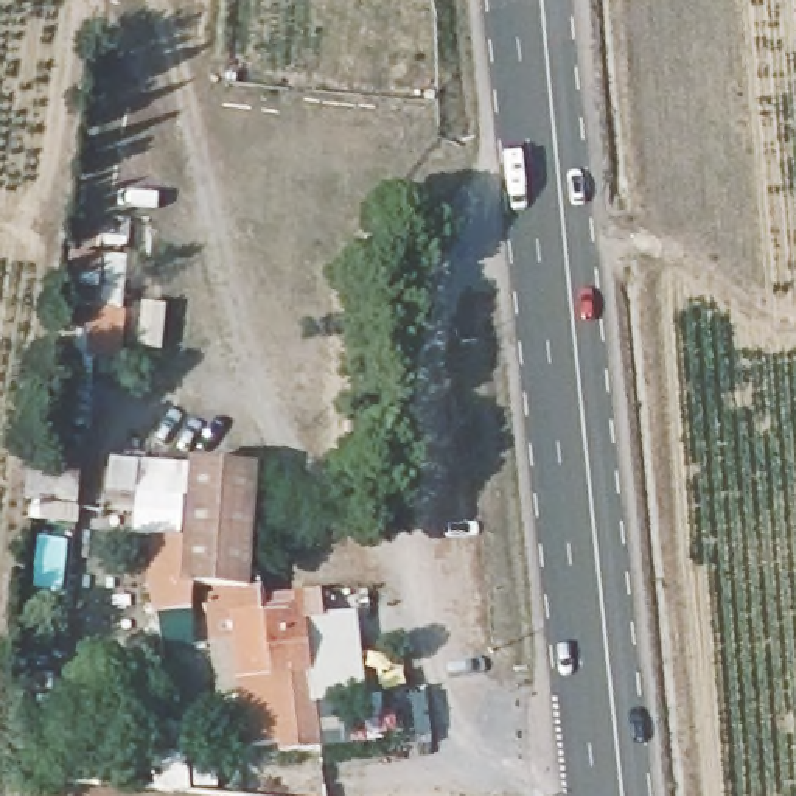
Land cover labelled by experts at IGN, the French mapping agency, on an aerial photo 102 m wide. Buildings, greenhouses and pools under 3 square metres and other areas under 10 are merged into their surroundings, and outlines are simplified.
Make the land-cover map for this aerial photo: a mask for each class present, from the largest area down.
<instances>
[{"label":"herbaceous vegetation","instance_id":"1","mask_svg":"<svg viewBox=\"0 0 796 796\"><path fill-rule=\"evenodd\" d=\"M96 19L106 22L103 34H109L112 50L84 65V81L90 84V90L78 124V155L72 162L75 190L62 239V267L68 274L62 283V299L72 311L75 339L56 342L59 364L50 370L47 379V417L28 426V442L16 451V457L31 470H40L47 476L75 473L78 479L75 522L34 519L25 525L22 535L25 547L16 557L9 581V628L0 637V796H22V777L12 768L19 759L16 746L25 743V724L19 712L28 678L12 675V659L16 637L28 628L25 603L34 597L37 585L56 588L53 634L65 631L68 622L78 625L84 637H103L115 631L121 650L115 656V669L121 675V684L137 700L131 712L137 724L134 756L124 759V768L134 771V777L143 787L152 784V777L162 774L174 759L177 721L183 709L215 684L211 656L199 650V641H205L208 634L202 600H190L187 609L193 613V628L180 641L140 628V609L149 603L143 572L162 550L165 535L131 529L124 535L127 575H112L100 557H90L84 563L81 544L90 522L93 529H118V516L93 519V507L103 491L112 454L190 460L193 454L205 451H215L218 457L233 454L243 445H267L261 426L252 417H239L246 404V382H252L255 367L243 364L233 354L230 326L224 320L208 258L202 255L199 243H193V236L199 233L196 190L187 171V152L177 131V106L171 96L174 84L168 75L171 65L165 62L155 34V22L162 19V12L146 9L143 0H103V12ZM143 299L165 302L162 345L140 342ZM106 302H124V326H100L96 314ZM118 351H131L134 358L149 361V382L140 395H131L115 379L112 361ZM460 16V62L445 72L438 62L435 0H311V25L326 31L323 50H305L289 62V68H274L264 53H258V44L271 37L277 25H283L289 0H171L174 12H196V25L190 28V47H196L199 56L187 59V65L193 72L190 78L208 134V152L215 177L221 183V202L227 218L233 221L230 239L236 249L239 280L252 286L249 320L261 342L264 367L271 376H277L280 414H286L299 429L295 448L308 457H323L351 429V420L336 410L339 392H348V379L339 373L345 342L339 339L342 326L336 311H342V299L330 286L323 271L348 249V243L367 239L361 227V202L382 180L404 177L423 183L426 177L445 171H488L504 177L507 146L494 134L498 93L488 81L494 44L482 34V16L491 9L488 0H454ZM616 16H622V0H591L606 187L609 196L625 199V208L641 199V193L634 190L637 165L631 149L625 22L613 25ZM513 246L507 239L498 246L491 258L482 261L485 277L498 289L494 330L501 354L491 382H482L476 392L485 398H498V404L507 407L513 448L504 451V466L485 482L479 494V510L473 516V522L479 525L473 578L479 588L482 625L476 656H488L485 675L491 681L510 687H532L535 637L544 634L550 603L547 594H541L544 550L535 541L538 494L529 482L535 451L525 438L529 395L519 386V302L510 283ZM637 261L644 271V286H625L616 280V302L641 519V557L650 609L656 703L662 718L659 737L665 796H724L709 566H697L690 560L687 479L697 476V463H687L684 457L678 330L675 314L659 308V280L665 274V261L650 252H641ZM423 768L410 777V784H401V790L438 796H569L566 780H553L535 762L504 759L494 746H488L479 737L466 712L448 718V737L442 740L438 752L423 756ZM274 737L261 734L258 740H239V759L215 774L218 790H255L258 774L252 768L271 759ZM109 784L100 777H78L75 784H59L62 796H87L103 793Z\"/></svg>","mask_w":796,"mask_h":796},{"label":"vineyard","instance_id":"2","mask_svg":"<svg viewBox=\"0 0 796 796\"><path fill-rule=\"evenodd\" d=\"M103 12V0H0V637L9 628V581L16 557L25 547L22 535L25 525L34 519L25 494L31 470L16 457V451L28 442V426L47 417V379L50 370L59 364L56 342L75 339L72 311L62 299V283L68 274L62 267V239L75 190L72 162L78 155V124L90 90V84L84 81V65L112 50L109 34H103L106 22L96 19ZM743 22L746 106L752 127V174L762 243L759 258L765 271V286L731 283L721 274V267L709 261L706 249H687L672 236L634 233L631 239L641 252H650L665 261V274L659 280V308L675 314L678 330L684 457L687 463H697V476L687 479L690 560L697 566H709L724 796H796V0H737Z\"/></svg>","mask_w":796,"mask_h":796},{"label":"impervious surface","instance_id":"3","mask_svg":"<svg viewBox=\"0 0 796 796\"><path fill-rule=\"evenodd\" d=\"M491 9L482 16V34L494 44L488 81L498 93L494 134L507 146L504 177L510 208H516V221L507 239L513 246L510 283L519 302V386L529 395L525 438L535 451L529 482L538 494L535 541L544 550L541 594H547L550 603L544 634V641L569 647V675L557 672L550 678V693L560 703L566 780L569 796H665L659 737L662 718L656 703L650 609L641 557V519L616 302V280L625 286H644V271L637 261L641 252L631 239L634 233L616 227V215L625 208V199L609 196L606 187L591 0H488ZM155 790H180L187 787V768L180 759H174L162 774L152 777V784Z\"/></svg>","mask_w":796,"mask_h":796},{"label":"deciduous trees","instance_id":"4","mask_svg":"<svg viewBox=\"0 0 796 796\"><path fill-rule=\"evenodd\" d=\"M326 31L311 25V0H289L283 25H277L271 37L258 44V53H264L274 68H289V62L305 50H323ZM438 62L445 72L460 62V16L454 0H435ZM423 183L404 177L382 180L361 202V227L367 239L348 243V249L323 271L330 286L342 299V311H336L342 326L339 339L345 342L339 373L348 379V392H339L336 410L351 420V429L323 457H308L295 448L267 445H243L233 454L258 463L255 491L264 494V504L255 501L252 519V581H261L264 597H274V591L289 588L295 569H317L339 541L351 538L370 547L392 541L382 532L386 494L407 488L426 463V442L414 435L407 417L398 414L401 398H407V392L398 382L401 348L392 342V326L414 302L417 320L407 333L417 336L426 326L429 295L426 289L407 283H389V271L401 261L407 246H417L426 267L438 264V239L426 236L423 215L417 211ZM115 379L131 395H140L149 382V361L134 358L131 351H118L112 361ZM131 529H93L90 522L81 544L84 563L90 557H100L112 575H127L124 535ZM56 588L37 585L34 597L25 603L28 628L16 637L12 659V675L28 678L19 712L25 724V743L16 746L19 759L12 768L22 777V796H62L59 784H75L78 777H100L109 784L103 793L87 796H190L180 790H155L152 784L143 787L134 777V771L124 768V759L134 756L137 724L131 712L137 700L121 684V675L115 669V656L121 650L115 631L103 637H84L78 625L68 622L65 631L53 634ZM407 631L379 628L373 650L386 653L392 662L404 656ZM330 703V712L345 721V728L361 731L367 724H376L379 734H386L398 728L395 715L382 709L379 697L367 693L361 681H348L330 687L323 697ZM233 697L221 693L215 684L183 709L177 721L174 759H180L187 768L215 774L239 759V728L227 718V703ZM348 759H382L376 740L326 743L323 762L339 768Z\"/></svg>","mask_w":796,"mask_h":796},{"label":"pervious surface","instance_id":"5","mask_svg":"<svg viewBox=\"0 0 796 796\"><path fill-rule=\"evenodd\" d=\"M146 9L162 12V19L155 22V34L165 62L171 65L168 75L174 84L171 96L177 106V131L187 152V171L196 190L199 233L193 236V243H199L202 255L208 258L224 320L230 326L233 354L243 364L255 367L252 382H246V404L239 417H252L261 426L267 445L295 448L299 429L286 414H280L277 376H271L264 367L261 342L249 320L252 286L239 280L236 249L230 239L233 221L227 218L221 202V183L215 177L208 152V134L190 78L193 72L187 65V59L199 56L196 47H190V28L196 25V12H174L171 0H143ZM417 211L423 215L426 236L438 239V264L426 267L417 246H407L401 261L389 271V283H407L426 289L429 295L426 326L417 336L407 333L417 320L414 302L392 326V342L401 348L398 382L407 392V398H401L398 414L407 417L414 435L426 442V463L407 488L386 494L382 532L392 541L370 547V566H382L386 572L379 594V628L407 631L438 625L448 634V641L432 656L417 659L423 675L445 690L448 718L466 712L479 737L488 746H494L504 759L535 762L553 780H566L560 703L550 693V678L544 672V634L535 637L532 687H510L491 681L485 675L488 656H476L482 625L479 588L473 578L479 525L473 522V516L479 510V494L485 482L504 466V451L513 448L507 407L498 404V398H485L476 392L482 382H491L501 354L494 330L498 289L485 277L482 261L491 258L498 246L507 239L516 221V208H510L504 177L488 171H445L426 177L423 183Z\"/></svg>","mask_w":796,"mask_h":796},{"label":"building","instance_id":"6","mask_svg":"<svg viewBox=\"0 0 796 796\"><path fill-rule=\"evenodd\" d=\"M165 302L143 299L140 342L162 345ZM100 326H124V302H106L96 314ZM258 463L233 454L218 457L215 451H205L193 454L190 460L112 454L103 491L93 507V519L118 516V529H131L165 535L162 550L143 572L149 603L140 609V628L180 641L193 628V613L187 609L190 600H202L208 634L205 641H199V650L211 656L215 684L221 693L233 697L227 703V718L239 728V740H258L261 734L274 737L271 759L252 768L258 774L255 790H218L215 774L187 768V787L180 790L190 796H345L339 784V768L323 762L326 743L376 740L382 759L423 756L438 752L442 740L448 737V718L445 690L423 675L417 659L432 656L448 641V634L438 625L407 631L404 656L392 662L386 653L373 650L379 628V594L386 572L382 566H370V547L351 538L339 541L317 569H295L289 588L274 591V597H264L261 581H252V519L255 501L264 504V494L255 491ZM348 681H361L367 693L379 697L382 709L395 715L398 728L386 734H379L376 724H367L361 731L345 728V721L330 712V703L323 697L330 687ZM25 494L34 519L75 522L78 479L75 473L47 476L40 470H31Z\"/></svg>","mask_w":796,"mask_h":796},{"label":"plowed land","instance_id":"7","mask_svg":"<svg viewBox=\"0 0 796 796\"><path fill-rule=\"evenodd\" d=\"M625 22L631 149L637 165L634 190L641 193V199L625 208L616 215V227L634 233L672 236L687 249H706L709 261L721 267V274L731 283L765 286V271L759 258L762 243L752 174V127L746 106L743 22L737 0H622V16H616L613 25ZM544 672L550 678L557 672L569 675V647L544 641ZM423 756L382 759H348L339 768V784L345 796H438L401 790V784H410V777L423 768Z\"/></svg>","mask_w":796,"mask_h":796}]
</instances>
